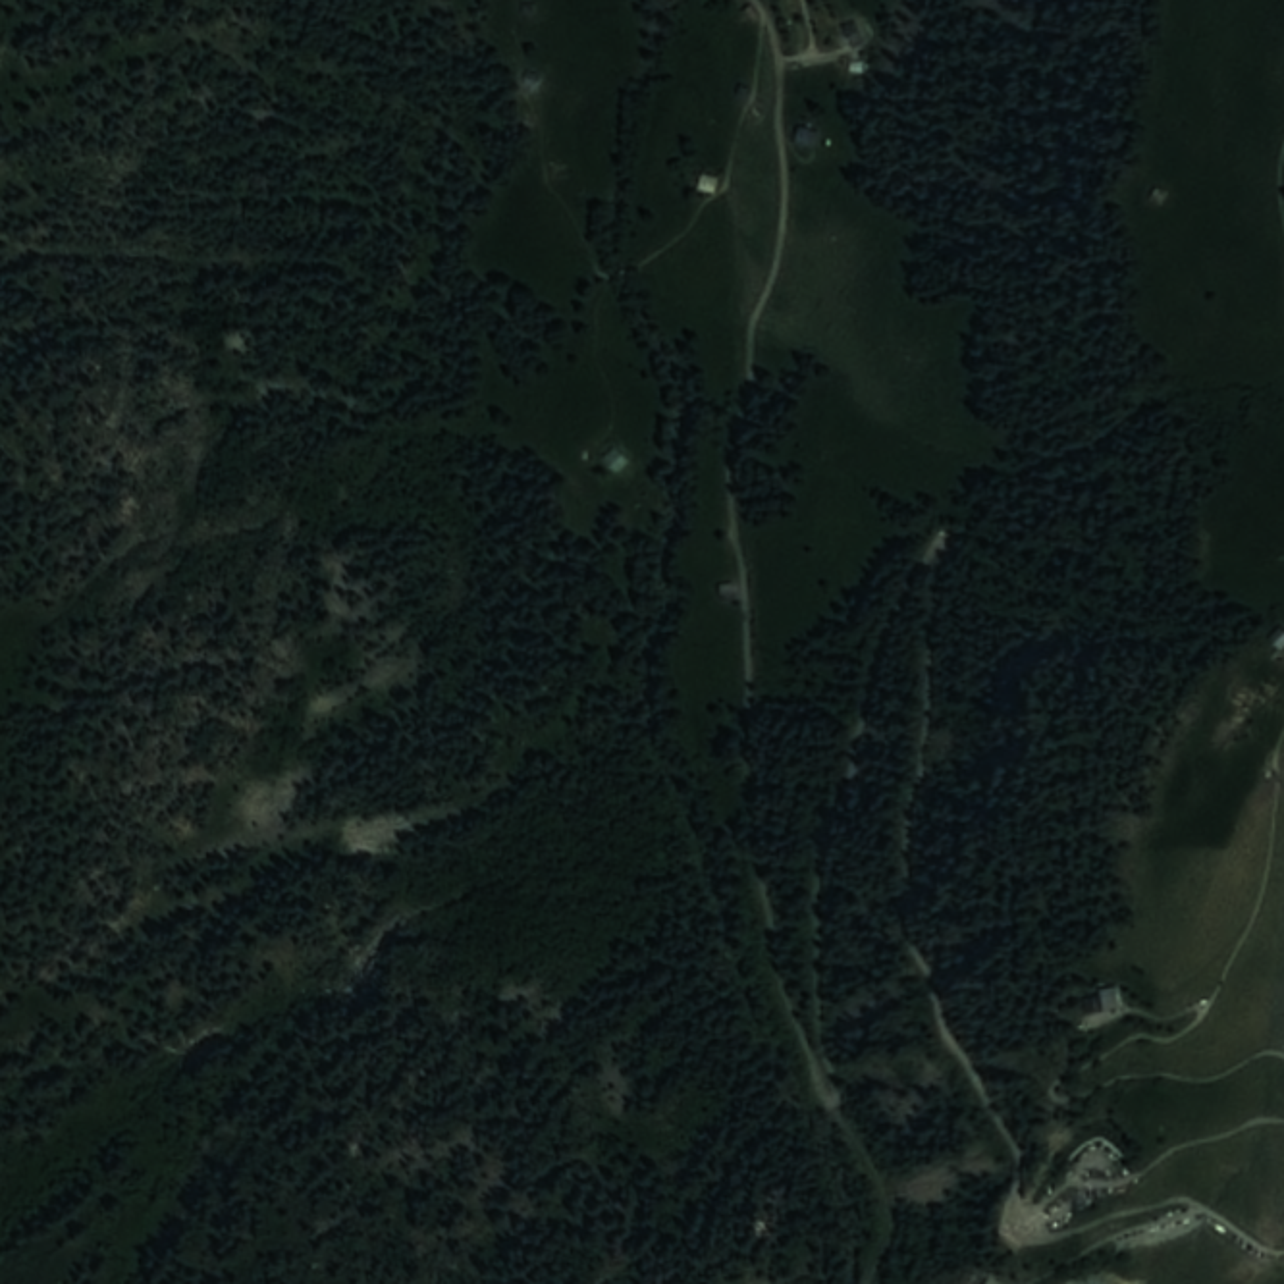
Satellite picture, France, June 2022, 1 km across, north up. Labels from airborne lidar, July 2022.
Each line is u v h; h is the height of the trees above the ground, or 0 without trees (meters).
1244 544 0
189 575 9
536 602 31
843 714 6
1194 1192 0
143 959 20
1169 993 0
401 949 28
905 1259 12
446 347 27
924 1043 6
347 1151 24
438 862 34
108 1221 8
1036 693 9
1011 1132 16
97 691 7
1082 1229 0
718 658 0
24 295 13
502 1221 33
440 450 10
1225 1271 0
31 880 24
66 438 25
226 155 6
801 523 0
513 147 28
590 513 0
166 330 12
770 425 24
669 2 9
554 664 21
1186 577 21
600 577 31
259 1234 22
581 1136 11
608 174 0
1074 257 28
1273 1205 0
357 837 0
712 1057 18
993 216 30
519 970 9
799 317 0
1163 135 0
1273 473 0
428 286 14
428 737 24
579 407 0
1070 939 22
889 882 28
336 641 6
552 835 11
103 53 15
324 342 9
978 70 12
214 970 19
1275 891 0
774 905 6
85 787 7
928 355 0
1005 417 27
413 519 8
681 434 8
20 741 7
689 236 0
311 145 12
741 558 0
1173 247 0
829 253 0
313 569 35
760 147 0
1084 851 17
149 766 21
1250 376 0
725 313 0
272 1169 11
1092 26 35
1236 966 0
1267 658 0
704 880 7
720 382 0
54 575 23
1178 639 14
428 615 8
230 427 8
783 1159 28
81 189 8
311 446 29
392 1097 22
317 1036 30
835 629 14
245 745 16
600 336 0
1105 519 27
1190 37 0
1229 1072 0
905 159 21
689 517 27
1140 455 21
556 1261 27
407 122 9
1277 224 0
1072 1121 11
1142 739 8
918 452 0
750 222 0
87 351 7
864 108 30
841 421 0
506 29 0
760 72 0
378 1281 14
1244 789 0
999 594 10
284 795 0
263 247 25
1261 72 0
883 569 20
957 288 12
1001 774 29
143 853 18
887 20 16
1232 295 0
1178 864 0
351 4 33
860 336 0
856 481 0
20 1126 28
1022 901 24
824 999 16
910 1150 26
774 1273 9
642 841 10
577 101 0
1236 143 0
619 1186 9
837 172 0
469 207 28
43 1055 26
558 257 0
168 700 20
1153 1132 0
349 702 8
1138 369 22
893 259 0
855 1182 12
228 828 0
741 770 10
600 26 0
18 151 27
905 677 14
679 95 0
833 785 15
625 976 17
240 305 9
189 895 9
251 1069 9
